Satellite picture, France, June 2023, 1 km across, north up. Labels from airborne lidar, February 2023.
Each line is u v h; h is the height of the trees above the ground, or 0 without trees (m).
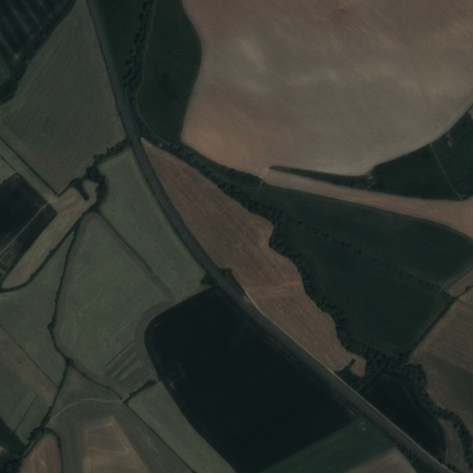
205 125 0
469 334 0
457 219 0
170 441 0
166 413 0
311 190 0
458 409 0
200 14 0
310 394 0
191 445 0
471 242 0
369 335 0
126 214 0
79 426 0
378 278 0
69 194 0
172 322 0
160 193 0
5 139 0
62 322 0
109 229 0
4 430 0
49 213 0
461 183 8
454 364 0
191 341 0
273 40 0
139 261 0
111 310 0
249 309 0
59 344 0
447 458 0
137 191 0
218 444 0
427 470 6
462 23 0
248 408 0
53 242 0
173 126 0
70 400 0
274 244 13
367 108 0
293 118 0
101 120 0
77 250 0
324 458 0
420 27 0
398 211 0
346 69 0
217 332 0
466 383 0
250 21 0
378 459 0
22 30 0
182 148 11
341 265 0
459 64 0
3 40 0
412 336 0
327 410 0
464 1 0
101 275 0
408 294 0
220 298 0
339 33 0
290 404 0
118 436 0
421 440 0
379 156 0
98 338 0
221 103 0
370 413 0
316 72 0
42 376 0
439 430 0
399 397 0
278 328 0
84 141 0
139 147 0
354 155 0
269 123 0
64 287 0
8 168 0
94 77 0
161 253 0
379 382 0
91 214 0
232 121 0
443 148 0
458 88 0
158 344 0
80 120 0
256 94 0
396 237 0
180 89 0
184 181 0
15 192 0
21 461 9
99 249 0
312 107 0
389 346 0
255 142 0
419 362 0
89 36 0
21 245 0
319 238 0
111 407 0
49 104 0
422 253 0
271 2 0
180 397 0
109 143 0
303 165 0
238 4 0
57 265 0
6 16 0
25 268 0
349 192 0
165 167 0
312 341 0
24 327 0
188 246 0
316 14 0
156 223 0
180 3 0
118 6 0
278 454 0
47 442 0
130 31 0
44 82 0
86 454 0
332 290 0
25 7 0
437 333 0
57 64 0
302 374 0
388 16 0
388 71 0
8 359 0
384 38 0
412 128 0
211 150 0
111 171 0
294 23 0
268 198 0
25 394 0
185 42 0
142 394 0
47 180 0
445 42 0
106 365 0
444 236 0
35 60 0
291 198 0
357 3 0
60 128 0
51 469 0
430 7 0
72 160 0
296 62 0
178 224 0
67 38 0
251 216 0
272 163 0
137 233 0
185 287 0
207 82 0
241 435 0
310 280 12
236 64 0
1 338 0
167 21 0
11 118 0
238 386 0
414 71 0
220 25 0
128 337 0
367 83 0
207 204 0
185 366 0
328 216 0
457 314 0
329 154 0
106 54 0
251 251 0
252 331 0
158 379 0
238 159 0
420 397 10
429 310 0
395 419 0
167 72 0
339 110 0
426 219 0
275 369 0
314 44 0
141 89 0
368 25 0
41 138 0
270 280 0
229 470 0
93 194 0
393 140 0
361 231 0
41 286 0
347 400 0
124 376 0
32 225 0
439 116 0
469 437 22
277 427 0
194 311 0
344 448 0
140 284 0
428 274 0
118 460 0
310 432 0
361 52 0
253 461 0
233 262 0
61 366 0
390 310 0
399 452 0
